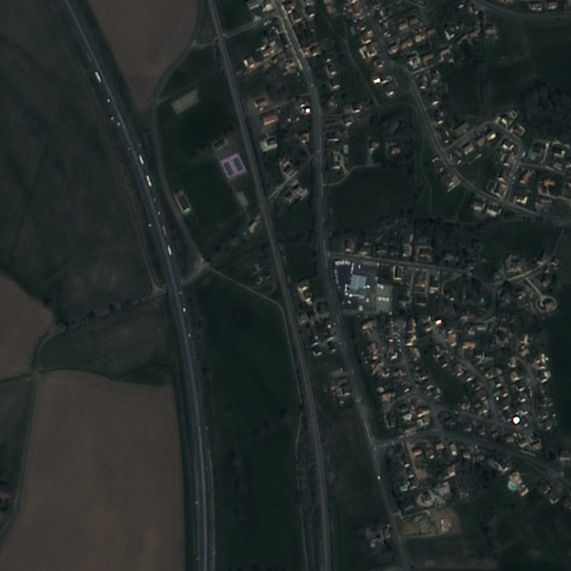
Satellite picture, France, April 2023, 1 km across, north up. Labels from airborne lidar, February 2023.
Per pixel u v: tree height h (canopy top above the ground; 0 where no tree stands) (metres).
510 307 7
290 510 0
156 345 0
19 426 0
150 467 0
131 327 0
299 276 0
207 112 0
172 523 0
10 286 0
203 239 0
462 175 0
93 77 0
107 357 0
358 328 0
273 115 0
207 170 0
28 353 0
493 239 0
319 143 0
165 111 0
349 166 14
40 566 0
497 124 0
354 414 0
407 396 0
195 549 0
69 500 0
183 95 0
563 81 0
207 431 0
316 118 0
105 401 0
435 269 0
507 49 0
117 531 0
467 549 0
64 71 0
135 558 0
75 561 0
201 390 0
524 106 13
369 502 0
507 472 0
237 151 0
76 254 0
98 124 0
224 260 0
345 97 7
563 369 0
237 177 0
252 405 0
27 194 0
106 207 0
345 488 0
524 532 0
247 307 0
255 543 0
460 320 9
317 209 16
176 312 0
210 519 0
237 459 23
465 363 0
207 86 0
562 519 0
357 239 14
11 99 0
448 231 12
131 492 0
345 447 0
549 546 0
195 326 9
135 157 0
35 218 0
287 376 0
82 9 0
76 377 0
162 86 0
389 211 0
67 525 0
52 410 0
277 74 0
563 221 0
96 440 0
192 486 0
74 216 0
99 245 0
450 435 0
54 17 0
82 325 10
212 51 0
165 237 0
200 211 0
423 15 0
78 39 0
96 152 0
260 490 0
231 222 0
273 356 0
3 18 0
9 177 0
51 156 0
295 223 0
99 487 0
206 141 0
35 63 0
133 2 0
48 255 0
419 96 0
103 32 0
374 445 0
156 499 0
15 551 0
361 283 0
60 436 0
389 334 0
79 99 0
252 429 0
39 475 0
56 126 0
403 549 0
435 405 0
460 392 0
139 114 0
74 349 0
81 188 0
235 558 0
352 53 0
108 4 0
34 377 0
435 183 0
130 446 0
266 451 0
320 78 8
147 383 0
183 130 0
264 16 0
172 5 0
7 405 0
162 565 0
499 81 0
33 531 0
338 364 0
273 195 0
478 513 0
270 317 0
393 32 0
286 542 0
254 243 0
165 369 0
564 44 0
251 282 0
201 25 0
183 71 0
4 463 0
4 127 0
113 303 0
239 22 0
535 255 0
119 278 0
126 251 0
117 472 0
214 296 0
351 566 0
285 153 11
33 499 0
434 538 0
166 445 0
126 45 0
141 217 0
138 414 0
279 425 0
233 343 0
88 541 0
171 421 0
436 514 0
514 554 0
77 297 0
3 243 0
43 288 0
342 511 0
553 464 10
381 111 0
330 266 0
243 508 0
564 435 0
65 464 0
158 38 0
